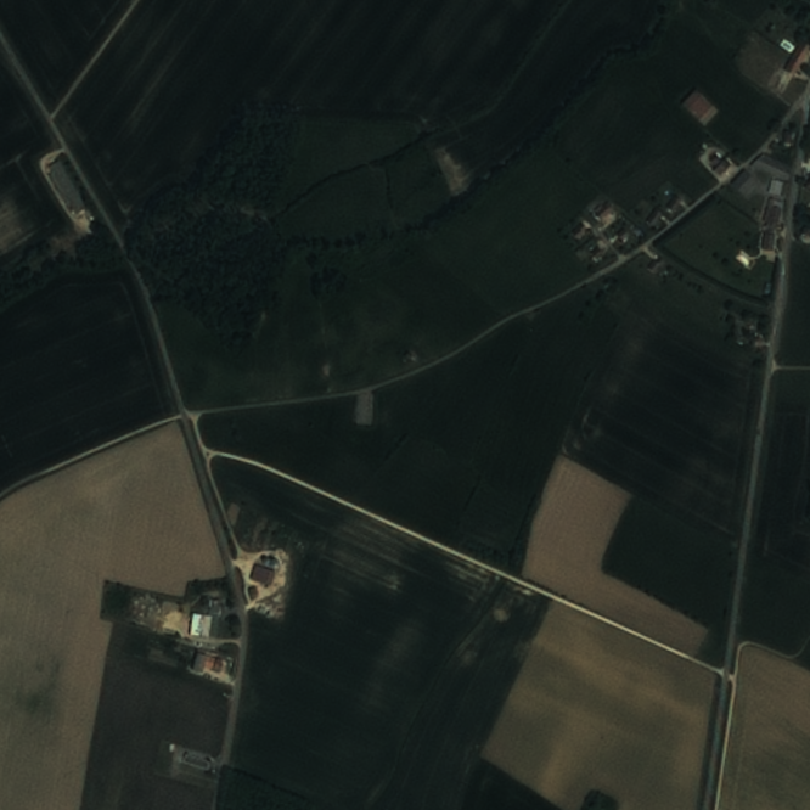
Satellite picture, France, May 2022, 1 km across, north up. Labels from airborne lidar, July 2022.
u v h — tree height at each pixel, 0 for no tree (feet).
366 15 0
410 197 0
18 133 0
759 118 0
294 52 0
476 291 0
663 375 0
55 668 0
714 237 0
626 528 0
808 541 0
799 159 0
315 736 0
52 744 0
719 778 0
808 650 0
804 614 0
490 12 0
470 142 0
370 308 0
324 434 0
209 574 0
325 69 0
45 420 0
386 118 0
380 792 0
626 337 0
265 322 0
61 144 0
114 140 0
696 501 0
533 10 0
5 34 0
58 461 0
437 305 0
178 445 0
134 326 0
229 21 0
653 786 0
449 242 0
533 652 0
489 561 37
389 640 0
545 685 0
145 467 0
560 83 0
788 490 0
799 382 0
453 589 0
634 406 0
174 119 0
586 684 0
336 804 0
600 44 0
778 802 0
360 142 0
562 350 0
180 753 0
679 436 0
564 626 0
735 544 0
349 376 0
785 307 0
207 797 0
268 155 114
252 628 0
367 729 0
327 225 0
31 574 0
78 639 0
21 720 0
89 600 0
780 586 0
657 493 0
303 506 0
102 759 0
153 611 0
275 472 0
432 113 0
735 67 0
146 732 0
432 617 0
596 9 0
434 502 0
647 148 0
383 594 0
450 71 0
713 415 0
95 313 0
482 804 0
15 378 0
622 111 0
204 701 0
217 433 0
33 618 0
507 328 0
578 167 0
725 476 0
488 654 0
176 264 89
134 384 0
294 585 0
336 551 0
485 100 0
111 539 0
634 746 0
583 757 0
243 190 95
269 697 0
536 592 0
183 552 0
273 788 47
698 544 0
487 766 0
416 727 0
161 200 61
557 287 0
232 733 0
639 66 0
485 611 0
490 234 0
